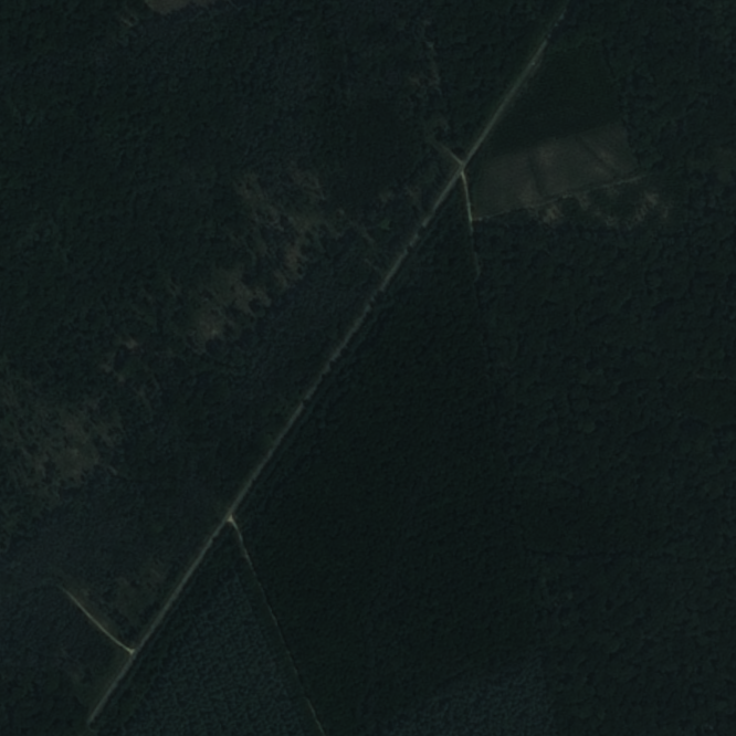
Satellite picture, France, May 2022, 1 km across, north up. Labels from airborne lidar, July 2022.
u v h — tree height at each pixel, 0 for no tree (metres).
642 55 30
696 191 7
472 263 11
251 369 25
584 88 7
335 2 23
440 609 20
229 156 26
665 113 29
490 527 22
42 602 19
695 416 9
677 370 26
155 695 12
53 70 22
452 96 25
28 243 22
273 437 15
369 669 20
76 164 25
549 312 30
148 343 26
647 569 21
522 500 19
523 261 26
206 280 23
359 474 20
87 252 26
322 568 24
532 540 20
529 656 21
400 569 19
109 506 24
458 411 17
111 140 23
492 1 26
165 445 27
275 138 27
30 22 22
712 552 23
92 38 26
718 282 28
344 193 9
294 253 0
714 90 27
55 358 12
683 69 25
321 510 22
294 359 24
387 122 11
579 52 8
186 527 23
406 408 23
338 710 23
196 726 25
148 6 25
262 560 22
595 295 24
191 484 22
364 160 12
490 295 22
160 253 25
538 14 21
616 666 29
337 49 8
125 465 25
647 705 25
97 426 18
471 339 22
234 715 23
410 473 22
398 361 21
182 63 19
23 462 27
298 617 22
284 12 25
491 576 21
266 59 24
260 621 22
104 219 29
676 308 27
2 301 26
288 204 21
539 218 7
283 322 27
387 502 20
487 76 22
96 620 0
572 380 24
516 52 28
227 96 24
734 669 31
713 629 30
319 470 22
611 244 27
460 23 21
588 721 29
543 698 25
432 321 23
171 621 11
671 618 24
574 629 31
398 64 25
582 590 32
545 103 6
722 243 28
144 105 23
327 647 22
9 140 26
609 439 29
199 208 22
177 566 20
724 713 31
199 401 23
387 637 19
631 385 28
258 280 20
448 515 23
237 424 30
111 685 0
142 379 26
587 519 17
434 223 10
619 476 26
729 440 26
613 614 31
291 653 16
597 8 30
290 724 21
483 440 21
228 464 22
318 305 26
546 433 25
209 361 19
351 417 20
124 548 21
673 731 29
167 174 25
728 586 29
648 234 25
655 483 23
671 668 29
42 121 20
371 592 20
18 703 24
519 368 26
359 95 25
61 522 24
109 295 25
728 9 23
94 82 21
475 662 22
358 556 21
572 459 20
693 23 31
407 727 26
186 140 30
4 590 22
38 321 26
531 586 19
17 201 22
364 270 26
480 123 14
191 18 27
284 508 20
